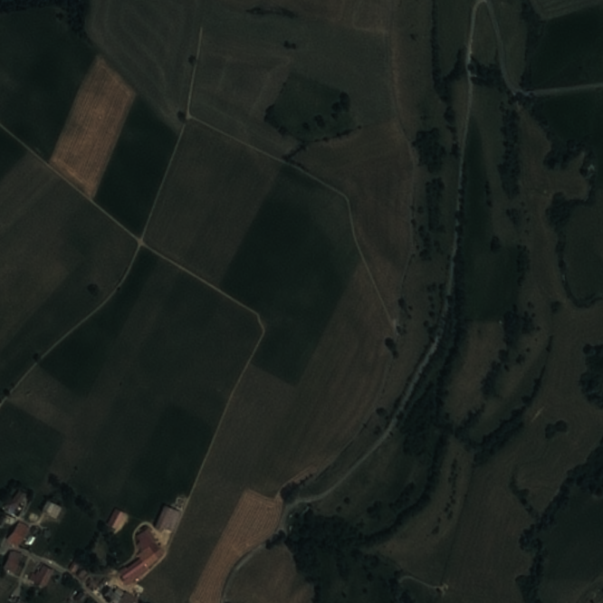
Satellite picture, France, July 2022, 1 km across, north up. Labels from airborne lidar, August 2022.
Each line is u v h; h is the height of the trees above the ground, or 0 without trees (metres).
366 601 0
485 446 8
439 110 0
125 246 0
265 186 0
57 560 0
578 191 0
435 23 6
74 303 0
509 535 0
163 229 0
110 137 0
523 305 0
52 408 0
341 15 0
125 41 0
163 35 0
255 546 0
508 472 0
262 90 0
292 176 0
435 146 11
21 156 0
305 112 0
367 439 0
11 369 0
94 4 0
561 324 0
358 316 0
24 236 0
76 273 0
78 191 0
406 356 0
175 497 0
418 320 0
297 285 0
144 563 0
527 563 0
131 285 0
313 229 0
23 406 0
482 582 0
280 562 0
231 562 0
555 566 0
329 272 0
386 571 0
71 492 21
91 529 0
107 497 0
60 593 0
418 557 0
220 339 0
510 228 0
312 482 0
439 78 15
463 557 0
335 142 0
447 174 0
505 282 0
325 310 0
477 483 0
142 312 0
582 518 0
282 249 0
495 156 0
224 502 0
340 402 0
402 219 0
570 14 0
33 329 0
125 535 0
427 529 0
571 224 0
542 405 0
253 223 0
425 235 11
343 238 0
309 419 0
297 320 0
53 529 0
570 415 0
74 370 0
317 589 12
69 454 0
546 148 0
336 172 0
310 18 0
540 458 0
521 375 0
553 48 0
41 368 0
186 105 0
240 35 0
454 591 0
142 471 0
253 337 0
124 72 0
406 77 0
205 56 0
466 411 0
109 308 0
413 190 0
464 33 0
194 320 0
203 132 0
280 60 0
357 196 0
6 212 0
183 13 0
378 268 0
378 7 0
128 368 0
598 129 0
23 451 0
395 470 0
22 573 0
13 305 0
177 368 0
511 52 0
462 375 0
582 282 0
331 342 0
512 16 0
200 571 0
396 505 7
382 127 0
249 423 0
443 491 0
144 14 0
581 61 0
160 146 0
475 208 0
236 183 0
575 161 0
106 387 0
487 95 0
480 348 0
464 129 0
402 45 0
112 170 0
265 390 0
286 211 0
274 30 0
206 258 0
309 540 23
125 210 0
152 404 0
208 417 0
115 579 0
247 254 0
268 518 0
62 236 0
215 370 0
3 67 0
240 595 0
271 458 0
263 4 0
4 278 0
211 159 0
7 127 0
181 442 0
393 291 0
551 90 0
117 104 0
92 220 0
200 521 0
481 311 0
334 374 0
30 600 8
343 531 8
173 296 0
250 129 0
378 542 6
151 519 0
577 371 0
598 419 0
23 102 0
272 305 0
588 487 14
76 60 0
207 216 0
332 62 0
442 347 20
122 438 0
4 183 0
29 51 0
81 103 0
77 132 0
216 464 0
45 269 0
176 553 0
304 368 0
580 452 0
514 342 24
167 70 0
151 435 0
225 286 0
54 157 0
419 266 0
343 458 0
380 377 0
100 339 0
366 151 0
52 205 0
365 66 0
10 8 7
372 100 0
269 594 0
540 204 0
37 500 0
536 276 0
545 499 0
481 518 0
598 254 0
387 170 0
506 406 0
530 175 0
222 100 0
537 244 0
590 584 0
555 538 0
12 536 0
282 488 0
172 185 0
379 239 0
